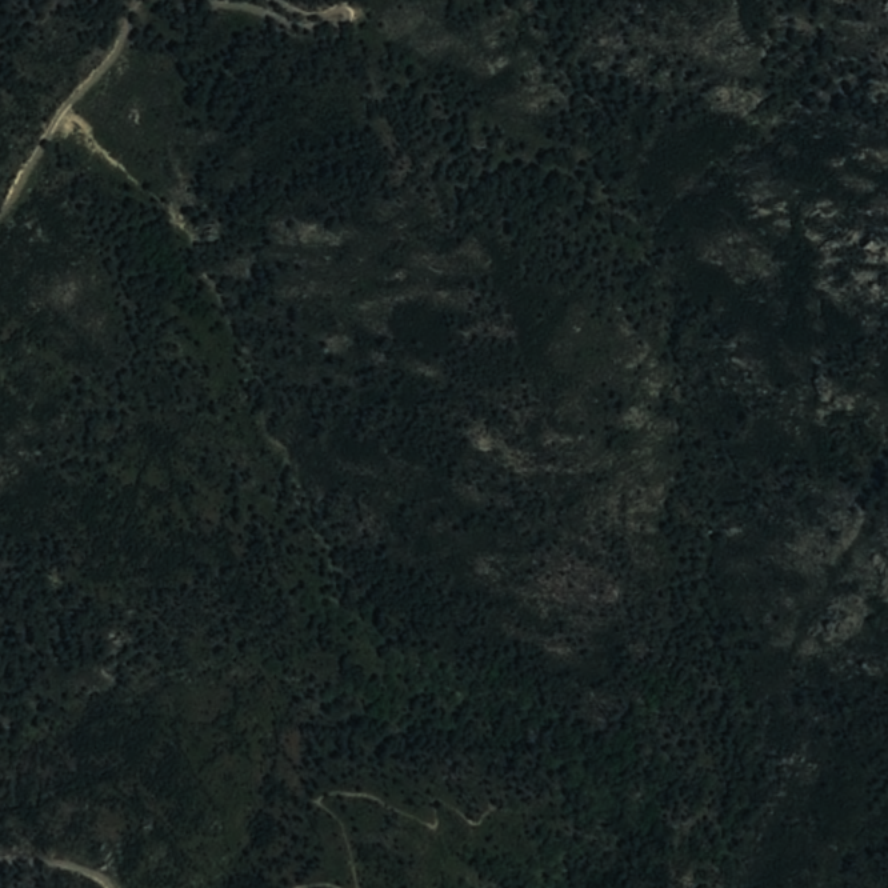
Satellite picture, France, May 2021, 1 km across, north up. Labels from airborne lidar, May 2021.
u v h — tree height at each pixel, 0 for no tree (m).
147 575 26
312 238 0
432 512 6
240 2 19
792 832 7
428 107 27
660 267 31
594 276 18
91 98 0
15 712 35
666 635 23
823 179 7
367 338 6
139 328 25
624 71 16
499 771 24
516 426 18
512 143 8
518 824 0
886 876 6
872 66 19
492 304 10
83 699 22
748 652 25
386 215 0
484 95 20
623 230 34
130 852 7
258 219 29
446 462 21
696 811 9
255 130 19
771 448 7
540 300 6
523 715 30
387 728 25
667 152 6
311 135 6
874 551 0
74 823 6
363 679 24
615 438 20
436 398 12
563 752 24
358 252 0
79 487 7
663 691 17
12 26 21
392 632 29
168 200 19
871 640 0
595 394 6
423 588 18
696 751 25
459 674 16
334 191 20
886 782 6
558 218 24
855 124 0
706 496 23
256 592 7
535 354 6
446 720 18
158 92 0
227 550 9
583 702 18
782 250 8
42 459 19
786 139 6
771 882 8
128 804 10
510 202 32
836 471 26
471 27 19
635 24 17
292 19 21
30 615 32
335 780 9
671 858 12
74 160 20
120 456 5
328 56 15
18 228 7
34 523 7
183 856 8
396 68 12
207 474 6
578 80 27
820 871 26
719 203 8
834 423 7
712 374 23
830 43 25
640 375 12
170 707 6
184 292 11
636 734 21
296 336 23
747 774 27
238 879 8
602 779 13
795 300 6
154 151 9
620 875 20
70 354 7
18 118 6
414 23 0
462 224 15
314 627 19
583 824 20
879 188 7
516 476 17
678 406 25
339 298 0
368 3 20
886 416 0
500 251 6
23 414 6
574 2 18
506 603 6
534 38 6
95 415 19
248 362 21
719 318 22
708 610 26
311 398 23
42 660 28
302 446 6
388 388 25
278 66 19
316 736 28
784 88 21
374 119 19
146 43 18
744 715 25
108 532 9
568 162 37
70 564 11
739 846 28
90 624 22
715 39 0
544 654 13
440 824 0
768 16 22
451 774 8
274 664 18
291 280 0
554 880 14
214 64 21
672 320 26
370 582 19
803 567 0
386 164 19
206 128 20
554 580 22
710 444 21
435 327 7
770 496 24
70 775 7
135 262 33
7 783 8
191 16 21
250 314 18
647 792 16
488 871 24
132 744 6
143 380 20
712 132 8
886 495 20
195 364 15
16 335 10
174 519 8
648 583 6
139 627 22
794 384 7
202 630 23
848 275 7
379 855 6
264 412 29
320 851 12
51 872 25
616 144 23
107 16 25
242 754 6
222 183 0
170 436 7
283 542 14
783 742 6
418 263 0
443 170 25
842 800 6
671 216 5
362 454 5
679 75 12
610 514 14
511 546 7
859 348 14
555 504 6
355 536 25
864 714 6
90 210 19
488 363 19
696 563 26
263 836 11
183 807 7
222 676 7
